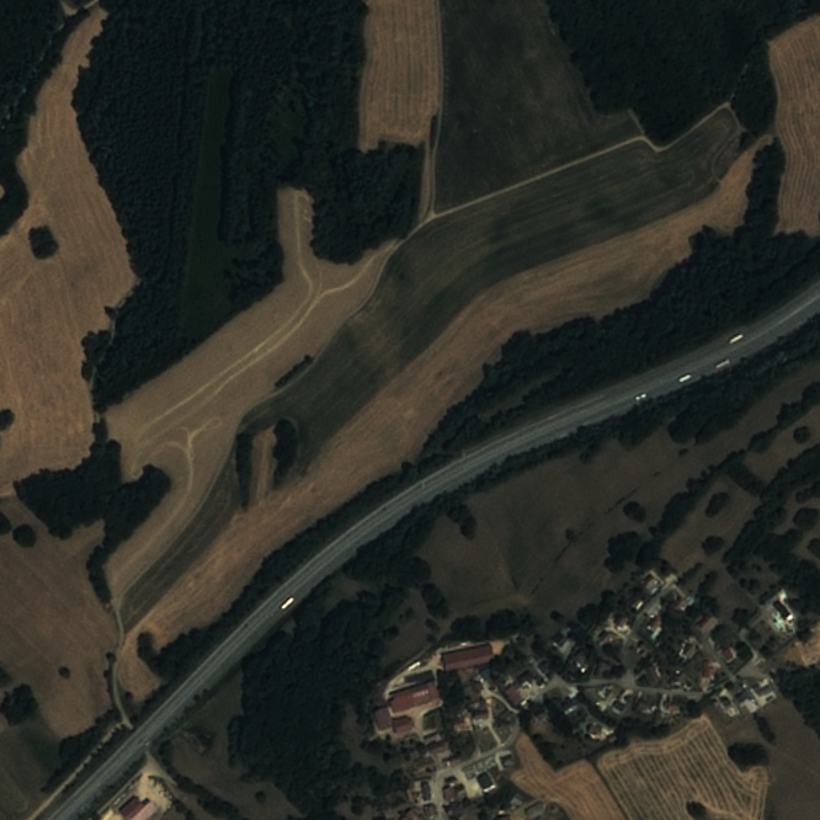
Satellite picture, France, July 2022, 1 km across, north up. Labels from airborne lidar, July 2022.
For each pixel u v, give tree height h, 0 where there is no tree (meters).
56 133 0
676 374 0
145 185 29
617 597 9
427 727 0
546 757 7
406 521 12
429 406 0
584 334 14
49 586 0
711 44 8
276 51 25
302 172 23
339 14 36
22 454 0
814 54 0
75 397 0
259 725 21
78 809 0
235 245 34
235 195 32
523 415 8
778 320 0
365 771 19
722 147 0
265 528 0
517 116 0
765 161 15
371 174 22
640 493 0
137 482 0
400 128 0
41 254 19
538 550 0
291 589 0
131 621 0
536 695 0
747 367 6
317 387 0
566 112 0
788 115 0
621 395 0
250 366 0
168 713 0
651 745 0
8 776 0
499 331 0
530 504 0
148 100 32
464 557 0
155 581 0
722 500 12
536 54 0
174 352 11
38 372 0
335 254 16
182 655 15
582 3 25
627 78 34
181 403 0
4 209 18
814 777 0
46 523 16
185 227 24
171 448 0
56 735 0
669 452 0
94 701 0
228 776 0
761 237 18
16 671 0
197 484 0
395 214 15
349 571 14
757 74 14
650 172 0
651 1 13
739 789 0
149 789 0
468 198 0
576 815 0
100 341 18
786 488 10
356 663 24
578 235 0
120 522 18
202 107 26
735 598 0
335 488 0
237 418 0
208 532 0
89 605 0
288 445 16
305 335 0
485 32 0
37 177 0
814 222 0
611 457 0
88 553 0
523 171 0
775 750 0
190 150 30
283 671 22
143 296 17
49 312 0
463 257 0
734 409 20
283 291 0
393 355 0
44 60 8
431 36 0
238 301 20
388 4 0
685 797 0
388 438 0
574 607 0
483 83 0
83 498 23
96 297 0
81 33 0
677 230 0
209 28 37
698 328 22
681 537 0
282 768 16
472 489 9
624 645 0
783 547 9
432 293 0
